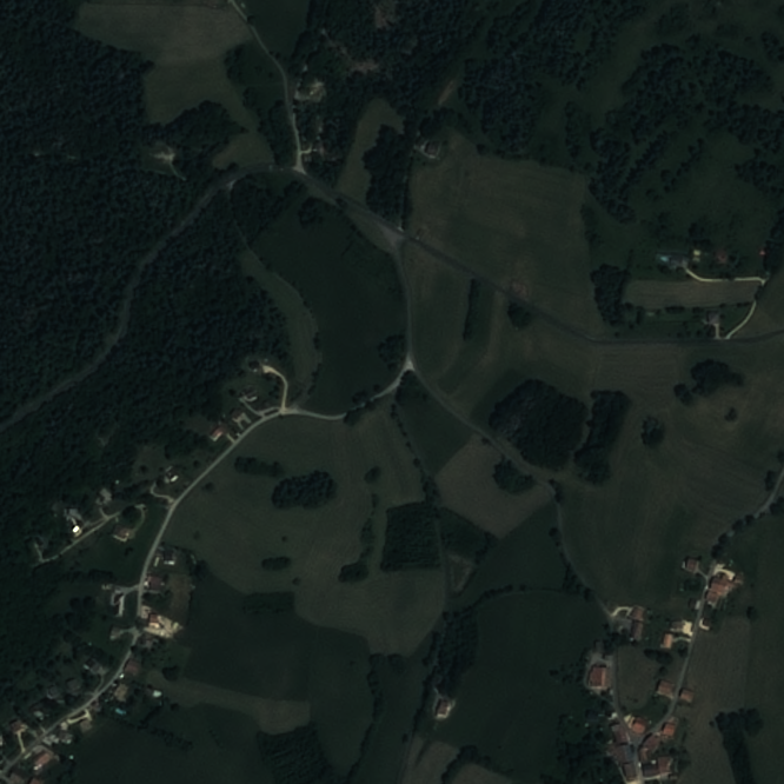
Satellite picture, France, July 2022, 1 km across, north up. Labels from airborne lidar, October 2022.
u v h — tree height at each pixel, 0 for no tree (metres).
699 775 0
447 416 0
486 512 0
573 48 20
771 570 0
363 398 18
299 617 0
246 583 0
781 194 15
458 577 0
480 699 0
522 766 0
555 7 21
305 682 0
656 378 0
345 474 0
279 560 6
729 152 0
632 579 0
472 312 8
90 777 0
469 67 9
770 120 20
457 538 8
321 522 0
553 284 0
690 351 0
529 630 0
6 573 10
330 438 0
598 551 0
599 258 0
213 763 0
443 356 0
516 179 0
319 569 0
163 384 10
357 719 0
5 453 7
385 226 0
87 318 6
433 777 0
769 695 0
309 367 0
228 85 0
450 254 0
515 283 0
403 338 14
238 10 0
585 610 0
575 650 0
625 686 0
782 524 0
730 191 0
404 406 12
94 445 8
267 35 0
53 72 26
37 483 9
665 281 0
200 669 0
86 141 8
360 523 0
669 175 14
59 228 14
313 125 14
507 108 22
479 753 17
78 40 22
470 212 0
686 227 0
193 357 29
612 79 0
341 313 0
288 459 0
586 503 0
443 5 23
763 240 0
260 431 0
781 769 0
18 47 17
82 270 7
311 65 12
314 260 0
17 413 18
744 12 0
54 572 10
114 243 8
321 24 10
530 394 20
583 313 0
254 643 0
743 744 7
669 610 0
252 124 0
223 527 0
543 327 0
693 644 0
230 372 21
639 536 0
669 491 0
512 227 0
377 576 0
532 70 17
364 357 0
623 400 21
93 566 0
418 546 9
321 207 18
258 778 0
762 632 0
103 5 0
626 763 0
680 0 0
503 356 0
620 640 18
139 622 9
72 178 21
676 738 0
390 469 0
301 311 0
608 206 13
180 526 0
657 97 6
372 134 0
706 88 12
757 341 0
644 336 0
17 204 17
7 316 22
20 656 8
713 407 0
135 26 0
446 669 14
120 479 9
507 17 7
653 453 0
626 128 11
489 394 0
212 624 0
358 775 12
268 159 0
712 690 0
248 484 0
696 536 0
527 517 0
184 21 0
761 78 22
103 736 0
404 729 0
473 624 18
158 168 0
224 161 0
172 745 12
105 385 10
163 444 8
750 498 0
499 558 0
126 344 17
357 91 21
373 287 0
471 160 0
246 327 19
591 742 15
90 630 17
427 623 0
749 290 0
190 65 0
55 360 16
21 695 14
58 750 8
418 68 12
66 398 12
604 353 0
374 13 18
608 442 18
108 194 7
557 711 0
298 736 6
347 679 0
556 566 0
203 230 10
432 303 0
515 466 19
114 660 16
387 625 0
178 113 0
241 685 0
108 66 28
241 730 0
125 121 24
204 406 11
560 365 0
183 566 0
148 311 16
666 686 0
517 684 0
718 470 0
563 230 0
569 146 8
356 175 0
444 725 0
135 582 0
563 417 28
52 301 20
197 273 28
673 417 0
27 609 8
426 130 16
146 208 6
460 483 0
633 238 0
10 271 15
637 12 14
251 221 10
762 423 0
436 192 0
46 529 14
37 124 16
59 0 19
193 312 6
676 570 0
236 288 13
